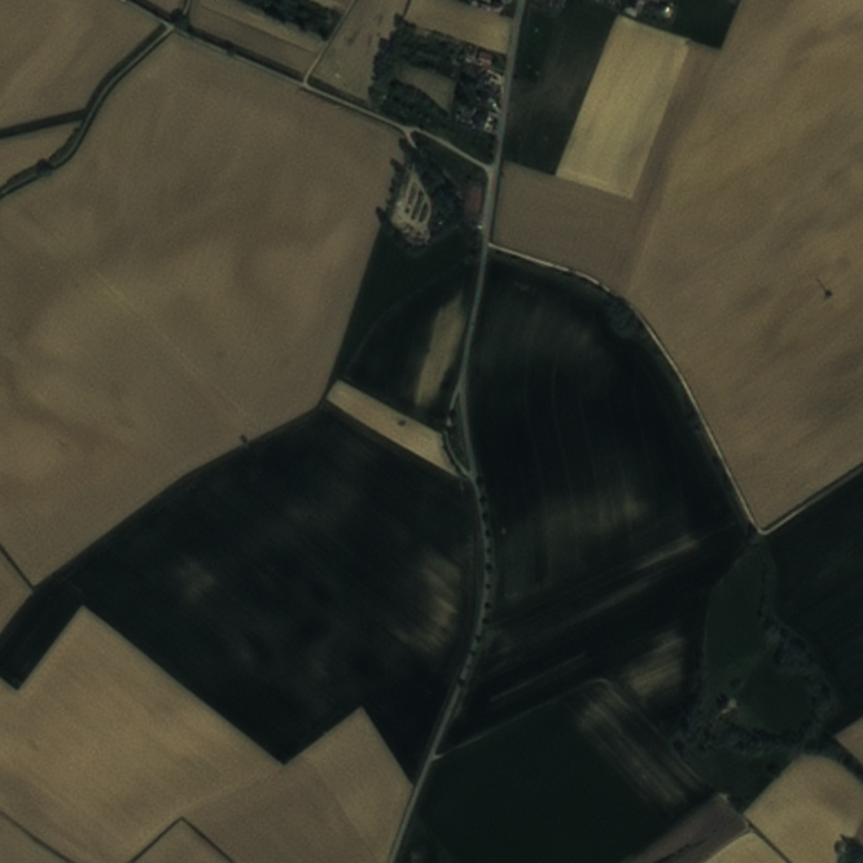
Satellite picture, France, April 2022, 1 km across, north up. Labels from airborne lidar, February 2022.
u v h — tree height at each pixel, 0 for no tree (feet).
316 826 0
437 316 0
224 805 0
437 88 0
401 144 0
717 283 0
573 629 0
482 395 0
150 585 0
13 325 0
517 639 0
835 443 0
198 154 0
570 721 0
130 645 0
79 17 0
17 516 0
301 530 0
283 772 0
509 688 0
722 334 0
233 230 0
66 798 0
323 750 0
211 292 0
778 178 0
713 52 0
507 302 0
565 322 0
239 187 0
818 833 0
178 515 0
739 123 0
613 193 0
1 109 0
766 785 0
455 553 0
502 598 0
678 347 0
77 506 0
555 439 0
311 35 0
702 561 0
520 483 0
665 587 0
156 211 0
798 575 0
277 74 0
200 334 0
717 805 0
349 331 0
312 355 0
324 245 0
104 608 0
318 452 0
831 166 0
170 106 0
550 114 0
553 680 0
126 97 0
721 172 0
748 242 0
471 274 0
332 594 0
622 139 0
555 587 0
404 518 0
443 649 0
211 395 0
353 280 0
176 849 0
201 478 0
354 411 0
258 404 0
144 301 0
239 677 0
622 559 0
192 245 0
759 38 0
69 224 0
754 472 0
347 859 0
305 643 0
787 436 0
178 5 0
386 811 0
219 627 0
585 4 0
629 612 0
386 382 0
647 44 0
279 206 0
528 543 0
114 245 0
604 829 0
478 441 0
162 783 0
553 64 0
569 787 0
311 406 0
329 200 0
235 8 0
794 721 0
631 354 0
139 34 0
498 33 0
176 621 0
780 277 0
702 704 64
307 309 0
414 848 0
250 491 0
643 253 0
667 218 0
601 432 0
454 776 0
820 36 0
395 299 0
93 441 0
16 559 0
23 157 0
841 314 0
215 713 0
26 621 0
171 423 0
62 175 0
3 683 0
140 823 0
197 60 0
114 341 0
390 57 72
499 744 0
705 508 0
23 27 0
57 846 0
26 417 0
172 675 0
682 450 0
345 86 0
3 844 0
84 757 0
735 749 33
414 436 0
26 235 0
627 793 0
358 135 0
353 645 0
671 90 0
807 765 0
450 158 0
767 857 0
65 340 0
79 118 0
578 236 0
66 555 0
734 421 0
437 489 0
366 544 0
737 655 0
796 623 0
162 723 0
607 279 0
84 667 0
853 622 0
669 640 0
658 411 0
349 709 0
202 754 0
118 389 0
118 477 0
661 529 0
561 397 0
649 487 0
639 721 0
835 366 0
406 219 0
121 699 0
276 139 0
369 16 0
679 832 0
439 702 0
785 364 0
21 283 0
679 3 0
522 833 0
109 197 0
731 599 0
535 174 0
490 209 0
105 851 0
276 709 0
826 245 0
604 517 0
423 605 0
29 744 0
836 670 0
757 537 55
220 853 0
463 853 0
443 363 0
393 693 0
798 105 0
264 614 0
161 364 0
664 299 0
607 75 0
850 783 0
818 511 0
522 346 0
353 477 0
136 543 0
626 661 0
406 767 0
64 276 0
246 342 0
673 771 0
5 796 0
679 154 0
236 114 0
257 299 0
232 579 0
